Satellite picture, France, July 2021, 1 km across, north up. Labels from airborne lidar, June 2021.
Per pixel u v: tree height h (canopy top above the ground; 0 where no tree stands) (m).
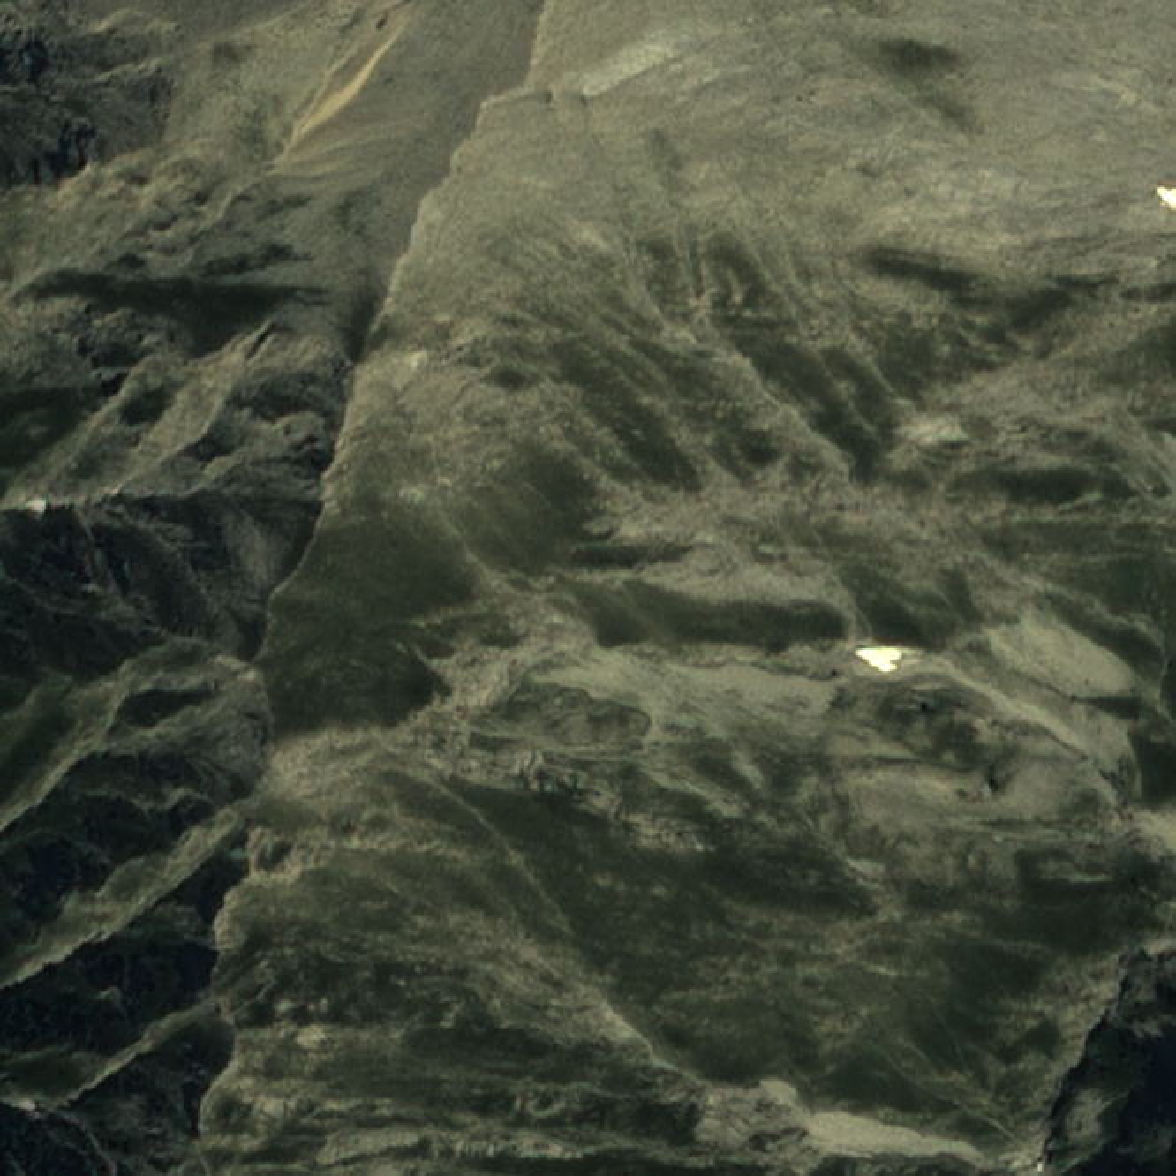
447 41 0
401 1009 0
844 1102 0
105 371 0
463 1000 0
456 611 0
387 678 0
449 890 0
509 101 0
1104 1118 0
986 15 0
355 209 0
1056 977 0
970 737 0
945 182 0
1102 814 0
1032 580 0
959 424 0
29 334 0
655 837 0
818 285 0
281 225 0
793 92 0
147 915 0
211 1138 0
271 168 0
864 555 0
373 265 0
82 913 0
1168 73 0
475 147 0
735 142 0
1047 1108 0
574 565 0
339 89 0
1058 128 0
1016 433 0
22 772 0
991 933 0
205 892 0
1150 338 0
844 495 0
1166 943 0
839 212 0
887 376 0
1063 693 0
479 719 0
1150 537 0
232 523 0
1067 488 0
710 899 0
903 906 0
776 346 0
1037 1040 0
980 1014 0
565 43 0
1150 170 0
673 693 0
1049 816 0
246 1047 0
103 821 0
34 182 0
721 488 0
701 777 0
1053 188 0
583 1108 0
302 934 0
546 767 0
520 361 0
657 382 0
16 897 0
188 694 0
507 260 0
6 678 0
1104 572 0
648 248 0
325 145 0
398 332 0
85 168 0
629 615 0
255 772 0
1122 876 0
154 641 0
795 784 0
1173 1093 11
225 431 0
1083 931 0
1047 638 0
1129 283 0
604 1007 0
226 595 0
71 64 0
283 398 0
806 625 0
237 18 0
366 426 0
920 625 0
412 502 0
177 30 0
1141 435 0
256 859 0
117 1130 0
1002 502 0
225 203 0
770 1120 0
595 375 0
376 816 0
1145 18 0
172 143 0
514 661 0
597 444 0
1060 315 0
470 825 0
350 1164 0
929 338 0
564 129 0
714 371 0
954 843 0
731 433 0
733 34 0
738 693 0
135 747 0
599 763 0
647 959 0
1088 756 0
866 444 0
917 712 0
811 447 0
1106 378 0
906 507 0
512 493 0
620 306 0
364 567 0
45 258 0
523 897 0
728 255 0
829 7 0
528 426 0
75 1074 0
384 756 0
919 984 0
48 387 0
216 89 0
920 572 0
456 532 0
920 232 0
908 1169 0
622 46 0
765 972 0
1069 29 0
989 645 0
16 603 0
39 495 0
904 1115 0
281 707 0
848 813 0
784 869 0
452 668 0
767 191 0
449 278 0
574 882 0
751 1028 0
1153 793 0
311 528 0
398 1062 0
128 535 0
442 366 0
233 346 0
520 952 0
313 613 0
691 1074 0
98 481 0
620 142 0
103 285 0
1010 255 0
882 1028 0
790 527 0
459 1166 0
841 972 0
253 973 0
